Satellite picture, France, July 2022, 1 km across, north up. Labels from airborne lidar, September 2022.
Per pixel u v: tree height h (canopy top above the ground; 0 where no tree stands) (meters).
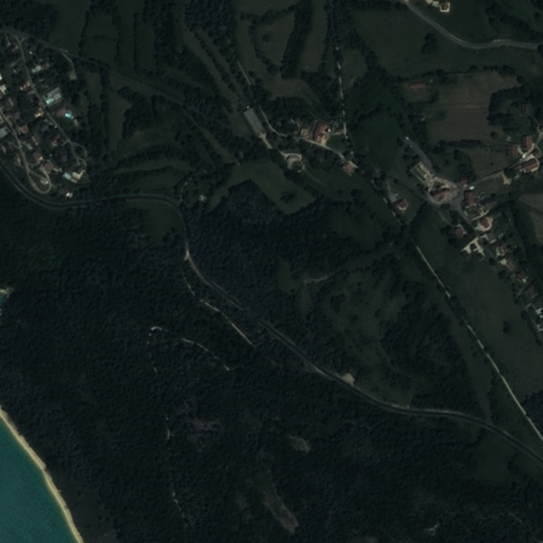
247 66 0
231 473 8
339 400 9
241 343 12
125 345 20
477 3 0
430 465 11
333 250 10
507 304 0
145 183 0
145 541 13
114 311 14
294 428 13
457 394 13
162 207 0
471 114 0
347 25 17
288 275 0
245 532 15
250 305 18
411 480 9
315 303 6
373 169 11
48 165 0
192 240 19
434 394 7
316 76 8
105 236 18
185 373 18
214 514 9
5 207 6
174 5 9
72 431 15
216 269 20
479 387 0
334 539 15
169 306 23
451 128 0
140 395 19
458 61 0
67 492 0
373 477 15
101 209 22
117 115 0
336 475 11
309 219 21
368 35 0
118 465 15
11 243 10
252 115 0
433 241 0
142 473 14
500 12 19
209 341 9
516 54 0
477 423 0
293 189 0
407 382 10
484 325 0
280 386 14
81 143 18
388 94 0
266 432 13
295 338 14
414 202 0
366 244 0
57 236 12
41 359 18
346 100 13
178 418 14
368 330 0
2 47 11
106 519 12
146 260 19
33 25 21
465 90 0
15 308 22
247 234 20
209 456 10
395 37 0
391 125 0
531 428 6
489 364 15
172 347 16
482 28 0
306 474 14
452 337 15
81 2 0
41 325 17
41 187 0
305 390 15
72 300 11
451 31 0
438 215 0
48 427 10
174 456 10
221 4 18
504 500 12
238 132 0
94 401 8
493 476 0
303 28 9
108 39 7
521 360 0
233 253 15
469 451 20
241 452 12
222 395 15
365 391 0
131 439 16
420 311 6
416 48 0
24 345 18
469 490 14
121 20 12
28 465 0
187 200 16
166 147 6
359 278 0
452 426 14
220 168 13
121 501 20
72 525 0
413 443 20
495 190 0
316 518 8
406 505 8
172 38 10
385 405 0
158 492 13
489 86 0
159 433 19
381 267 8
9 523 0
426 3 0
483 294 0
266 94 10
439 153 16
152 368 8
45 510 0
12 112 8
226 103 17
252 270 18
